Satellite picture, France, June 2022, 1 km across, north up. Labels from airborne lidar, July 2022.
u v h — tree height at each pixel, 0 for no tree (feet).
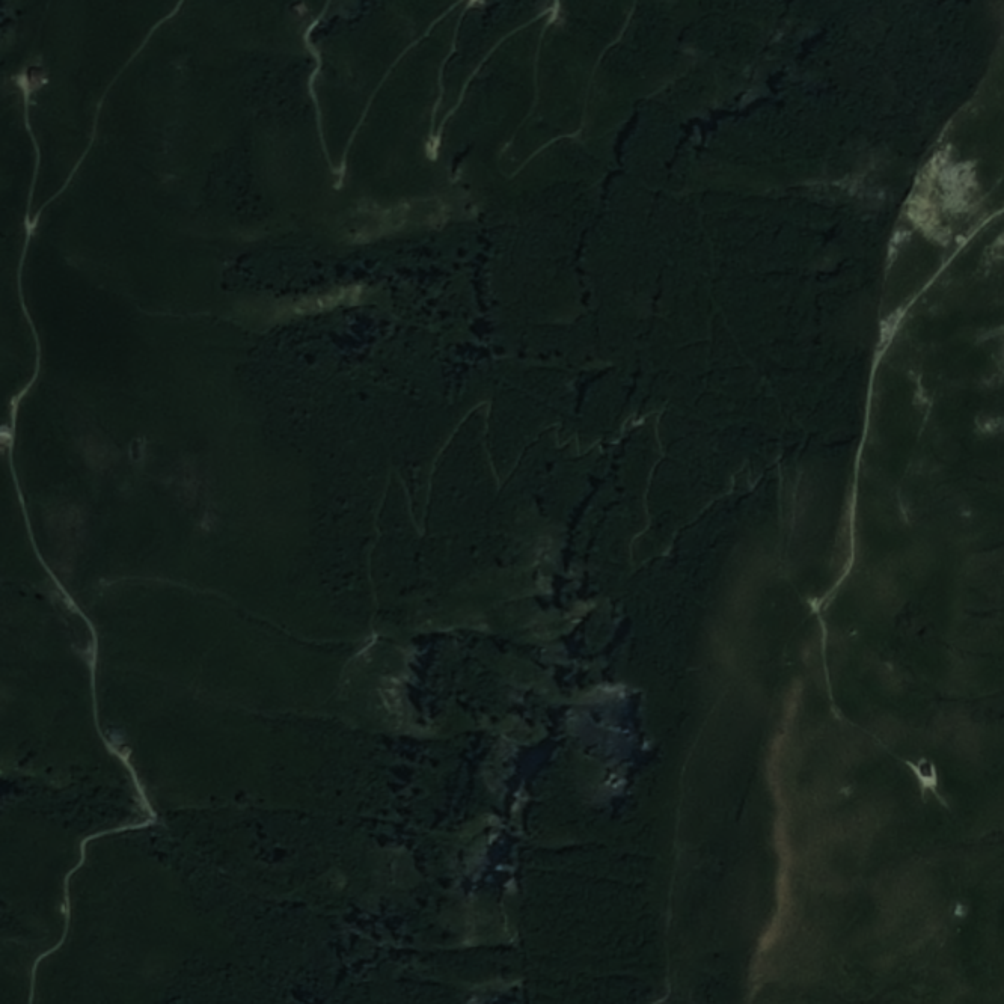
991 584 0
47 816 23
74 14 0
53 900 0
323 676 0
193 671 0
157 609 0
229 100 0
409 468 29
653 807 0
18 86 0
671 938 0
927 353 0
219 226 0
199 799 0
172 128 0
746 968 0
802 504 0
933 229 0
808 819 0
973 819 0
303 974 25
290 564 0
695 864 0
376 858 0
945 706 0
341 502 18
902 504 0
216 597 0
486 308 47
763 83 0
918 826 0
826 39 18
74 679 0
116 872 0
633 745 0
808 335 0
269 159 0
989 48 0
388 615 19
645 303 0
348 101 0
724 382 29
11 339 0
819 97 18
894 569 0
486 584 0
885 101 0
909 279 0
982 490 0
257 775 0
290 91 0
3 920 21
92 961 0
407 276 59
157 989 0
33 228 0
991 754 0
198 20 0
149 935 0
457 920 0
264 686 0
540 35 0
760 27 0
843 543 0
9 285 0
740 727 0
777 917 0
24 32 0
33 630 0
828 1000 0
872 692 0
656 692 0
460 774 18
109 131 0
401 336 20
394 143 0
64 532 0
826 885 0
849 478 0
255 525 0
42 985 0
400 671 0
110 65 0
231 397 0
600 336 20
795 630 0
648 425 0
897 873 0
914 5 17
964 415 0
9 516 0
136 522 0
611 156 0
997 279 0
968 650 0
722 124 59
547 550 0
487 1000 0
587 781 0
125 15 0
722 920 0
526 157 0
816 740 0
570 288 0
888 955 0
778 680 0
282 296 19
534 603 0
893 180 0
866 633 0
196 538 0
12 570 0
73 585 0
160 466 0
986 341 0
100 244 0
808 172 0
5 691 0
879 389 0
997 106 0
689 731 0
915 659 0
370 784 21
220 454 0
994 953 0
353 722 0
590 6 0
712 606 0
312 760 0
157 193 0
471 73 0
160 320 0
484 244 47
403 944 46
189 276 0
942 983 0
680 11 0
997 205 0
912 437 0
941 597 0
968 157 0
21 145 0
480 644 27
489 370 24
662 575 17
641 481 0
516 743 0
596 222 18
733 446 19
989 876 0
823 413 18
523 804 0
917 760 0
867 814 0
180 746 0
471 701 19
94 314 0
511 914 0
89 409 0
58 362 0
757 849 0
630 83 0
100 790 28
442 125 0
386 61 0
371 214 0
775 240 18
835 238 18
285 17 0
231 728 0
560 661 0
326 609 0
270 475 0
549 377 19
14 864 0
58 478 0
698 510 0
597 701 0
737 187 0
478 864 0
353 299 0
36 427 0
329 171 0
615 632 0
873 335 0
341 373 24
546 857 18
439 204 0
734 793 0
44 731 0
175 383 0
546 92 0
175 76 0
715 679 0
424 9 0
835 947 0
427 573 26
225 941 0
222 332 0
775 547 0
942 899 0
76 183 0
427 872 59
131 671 0
